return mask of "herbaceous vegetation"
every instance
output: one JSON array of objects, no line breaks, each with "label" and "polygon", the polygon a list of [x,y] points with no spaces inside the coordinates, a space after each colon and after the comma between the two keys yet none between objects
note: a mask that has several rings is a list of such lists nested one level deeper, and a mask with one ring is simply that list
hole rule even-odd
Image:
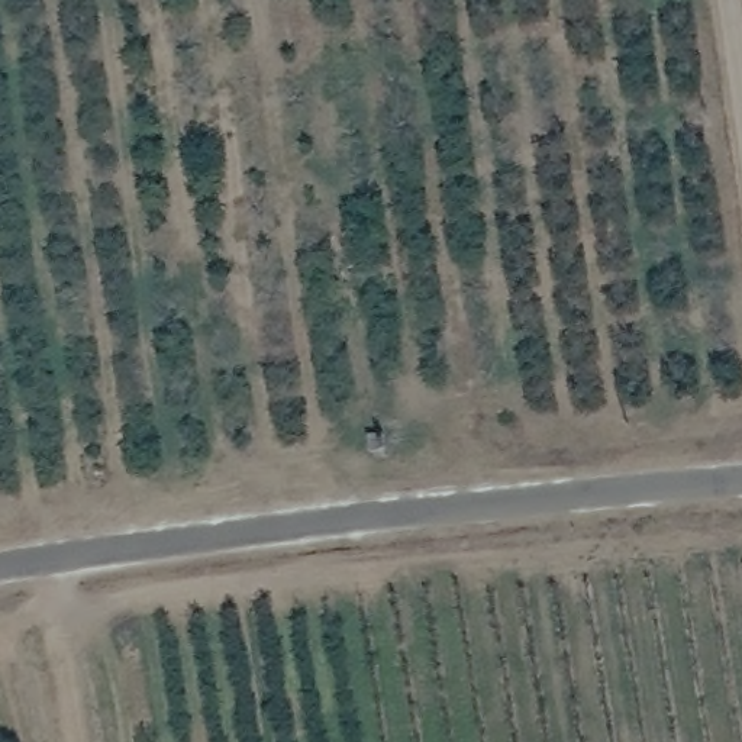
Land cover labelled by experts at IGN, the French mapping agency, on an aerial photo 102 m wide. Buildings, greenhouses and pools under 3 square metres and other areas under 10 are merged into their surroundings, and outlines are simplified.
[{"label": "herbaceous vegetation", "polygon": [[6,58],[20,58],[20,26],[14,17],[0,23],[0,32]]},{"label": "herbaceous vegetation", "polygon": [[467,542],[467,551],[548,548],[557,542],[626,539],[632,533],[664,530],[713,533],[730,528],[733,522],[742,522],[742,493],[365,528],[348,533],[316,533],[299,539],[125,559],[55,574],[0,580],[0,742],[174,742],[174,733],[168,728],[168,696],[154,609],[165,609],[177,632],[186,707],[191,719],[191,742],[209,742],[194,643],[188,635],[191,606],[206,609],[209,652],[214,667],[220,725],[226,742],[238,742],[232,716],[235,693],[229,684],[229,664],[220,641],[220,603],[235,600],[238,606],[238,623],[249,664],[249,690],[252,696],[264,699],[264,655],[255,635],[255,614],[249,612],[258,591],[270,594],[270,606],[275,614],[284,658],[284,693],[293,713],[296,742],[307,742],[299,670],[293,655],[290,609],[307,609],[307,646],[313,658],[322,713],[333,713],[333,672],[322,643],[322,609],[336,609],[336,603],[348,594],[351,603],[365,609],[377,600],[380,588],[385,585],[397,574],[391,559],[414,551],[458,551],[461,542]]},{"label": "herbaceous vegetation", "polygon": [[[104,142],[116,151],[113,168],[99,168],[87,157],[87,145],[78,136],[78,93],[72,84],[67,46],[61,35],[58,0],[43,0],[43,23],[49,26],[58,75],[58,113],[67,139],[67,191],[75,200],[72,238],[81,246],[87,278],[70,290],[55,281],[52,267],[43,255],[49,229],[41,209],[29,214],[32,264],[41,287],[41,301],[46,319],[55,328],[55,336],[96,336],[96,394],[104,409],[99,426],[101,452],[84,455],[72,414],[72,397],[61,397],[67,475],[52,487],[41,487],[35,475],[35,461],[26,455],[17,461],[20,490],[0,493],[0,522],[12,522],[14,516],[29,513],[26,501],[35,499],[41,499],[46,507],[55,507],[70,504],[72,496],[93,493],[99,501],[119,507],[133,519],[128,525],[130,533],[226,525],[261,516],[290,516],[374,501],[446,499],[461,493],[528,490],[597,478],[742,467],[742,394],[722,397],[722,385],[710,374],[710,362],[730,362],[733,357],[742,359],[742,188],[736,180],[730,104],[725,99],[725,64],[719,55],[719,38],[707,0],[690,0],[696,17],[696,46],[701,58],[701,81],[699,93],[690,99],[687,93],[672,93],[667,78],[667,41],[661,32],[658,9],[667,0],[635,0],[641,12],[649,14],[658,87],[652,93],[635,90],[626,99],[617,78],[612,0],[597,0],[597,17],[603,26],[603,58],[594,61],[574,55],[574,49],[568,46],[562,26],[562,0],[548,0],[548,17],[533,23],[513,23],[496,29],[493,35],[475,38],[467,14],[467,0],[455,0],[475,177],[481,186],[478,212],[484,214],[487,232],[484,267],[458,267],[449,255],[443,232],[441,165],[435,154],[438,133],[420,70],[423,52],[417,32],[420,20],[426,17],[423,0],[351,0],[354,23],[328,26],[313,17],[310,0],[130,0],[139,9],[142,35],[148,35],[151,41],[154,70],[128,75],[122,64],[125,29],[119,20],[119,0],[96,0],[99,38],[93,43],[93,58],[104,64],[107,75],[110,128],[104,130]],[[223,41],[223,17],[229,12],[246,12],[249,17],[249,41],[235,52]],[[614,133],[606,145],[591,145],[583,133],[580,84],[585,75],[597,78],[600,101],[612,110]],[[484,122],[478,84],[481,78],[501,78],[516,90],[516,110],[501,122]],[[148,101],[157,104],[162,122],[162,174],[168,180],[168,214],[157,232],[148,232],[133,180],[133,96],[148,96]],[[403,362],[397,380],[374,380],[365,348],[365,316],[357,296],[357,287],[365,278],[383,278],[397,293],[406,293],[409,287],[409,261],[397,238],[391,186],[380,157],[380,128],[400,130],[409,122],[417,125],[423,139],[426,220],[435,235],[438,278],[446,304],[443,333],[438,342],[438,351],[446,359],[446,385],[441,388],[432,388],[420,380],[420,348],[417,333],[412,328],[400,328]],[[186,188],[186,171],[180,159],[180,139],[188,125],[206,125],[220,130],[226,151],[220,191],[220,238],[206,246],[200,246],[194,200]],[[670,157],[672,209],[661,220],[641,217],[635,200],[635,168],[629,142],[641,139],[646,130],[664,133]],[[597,371],[603,383],[603,406],[594,412],[580,412],[571,403],[568,365],[559,339],[562,319],[554,304],[554,272],[548,261],[551,232],[545,226],[539,206],[536,148],[551,145],[559,136],[568,142],[571,154],[571,186],[580,220],[577,235],[585,255],[591,322],[597,333]],[[684,165],[678,157],[678,142],[690,136],[704,136],[710,151],[719,212],[725,226],[725,252],[696,252],[690,246],[681,194]],[[626,232],[632,255],[617,270],[600,270],[594,220],[588,209],[588,162],[603,157],[612,157],[620,165],[626,200]],[[493,186],[493,168],[504,159],[519,162],[525,171],[525,203],[533,226],[533,255],[539,275],[536,296],[542,301],[542,319],[554,365],[554,412],[533,412],[525,403],[519,362],[513,351],[516,342],[507,333],[510,287],[499,258]],[[162,467],[148,475],[133,475],[122,461],[122,403],[113,371],[116,336],[107,325],[101,267],[93,243],[96,226],[90,214],[90,191],[101,183],[113,183],[122,197],[122,226],[130,246],[130,284],[139,330],[136,374],[142,383],[142,397],[151,403],[151,423],[159,432],[162,458]],[[383,200],[388,261],[354,270],[342,243],[339,197],[368,183],[377,186]],[[345,313],[339,322],[339,333],[348,342],[348,359],[354,374],[351,400],[330,417],[325,417],[319,409],[316,371],[310,359],[310,333],[301,313],[301,278],[296,267],[296,255],[316,255],[328,243],[333,249],[333,272],[339,275],[336,290]],[[670,255],[681,255],[687,272],[687,310],[658,310],[649,304],[646,296],[646,267]],[[635,281],[638,307],[612,310],[603,296],[603,284],[629,278]],[[223,409],[214,394],[214,354],[206,348],[203,339],[206,328],[212,325],[209,301],[223,299],[226,293],[229,316],[241,328],[238,354],[243,359],[255,406],[255,420],[246,429],[246,446],[235,446],[223,432]],[[191,365],[162,368],[157,362],[154,328],[165,316],[183,316],[191,325]],[[620,403],[617,397],[614,351],[609,336],[612,325],[635,325],[646,333],[643,345],[649,365],[649,397],[641,406]],[[664,351],[696,354],[699,388],[693,394],[678,397],[664,383]],[[296,362],[299,380],[293,385],[267,388],[264,368],[293,368]],[[270,417],[270,403],[296,397],[304,397],[307,432],[299,443],[281,443]]]}]

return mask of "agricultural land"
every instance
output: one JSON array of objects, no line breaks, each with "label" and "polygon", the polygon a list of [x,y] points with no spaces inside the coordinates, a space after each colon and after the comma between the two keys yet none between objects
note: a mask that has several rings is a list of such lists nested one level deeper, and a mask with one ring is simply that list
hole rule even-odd
[{"label": "agricultural land", "polygon": [[493,675],[490,713],[484,713],[481,725],[475,725],[478,742],[742,742],[742,522],[733,522],[730,528],[713,533],[664,530],[632,533],[626,539],[557,542],[548,548],[467,551],[467,542],[461,542],[458,551],[414,551],[391,559],[397,574],[385,585],[388,591],[397,591],[394,583],[400,577],[426,577],[432,603],[455,603],[464,664],[472,661],[472,652],[496,655],[499,672]]},{"label": "agricultural land", "polygon": [[128,525],[133,519],[119,507],[99,501],[93,493],[72,496],[70,504],[55,507],[46,507],[41,499],[35,499],[26,501],[29,513],[14,516],[12,522],[0,522],[0,554],[130,533]]}]

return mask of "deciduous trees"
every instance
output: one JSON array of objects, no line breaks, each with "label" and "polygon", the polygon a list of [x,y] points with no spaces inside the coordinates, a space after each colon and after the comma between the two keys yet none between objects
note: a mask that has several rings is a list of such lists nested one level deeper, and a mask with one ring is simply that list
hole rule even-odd
[{"label": "deciduous trees", "polygon": [[687,310],[687,272],[681,255],[670,255],[646,267],[646,296],[649,304],[658,310]]},{"label": "deciduous trees", "polygon": [[383,200],[377,186],[368,183],[339,197],[342,243],[354,270],[388,261]]},{"label": "deciduous trees", "polygon": [[243,359],[238,354],[241,328],[229,316],[226,293],[223,299],[209,301],[212,325],[206,328],[203,339],[206,348],[214,354],[214,394],[223,409],[223,432],[235,446],[246,446],[246,429],[255,420],[255,406]]},{"label": "deciduous trees", "polygon": [[180,159],[186,171],[186,188],[194,200],[200,246],[206,246],[220,238],[220,191],[226,151],[220,130],[206,125],[188,125],[180,139]]},{"label": "deciduous trees", "polygon": [[162,122],[157,104],[148,101],[148,96],[133,96],[133,180],[148,232],[157,232],[168,214],[168,180],[162,174]]},{"label": "deciduous trees", "polygon": [[194,643],[209,742],[226,742],[220,725],[214,667],[209,652],[206,609],[191,606],[188,635]]},{"label": "deciduous trees", "polygon": [[380,157],[391,186],[397,238],[409,261],[409,287],[406,293],[397,293],[383,278],[365,278],[357,287],[357,296],[365,316],[365,348],[374,380],[397,380],[403,362],[400,328],[412,328],[417,333],[420,348],[420,380],[432,388],[441,388],[446,385],[446,359],[438,351],[438,342],[443,333],[446,304],[438,278],[435,235],[426,220],[423,139],[417,125],[409,122],[400,130],[380,128]]},{"label": "deciduous trees", "polygon": [[130,0],[119,0],[119,20],[125,29],[122,64],[128,75],[154,70],[151,41],[148,35],[142,35],[139,9]]},{"label": "deciduous trees", "polygon": [[641,139],[629,142],[635,168],[635,200],[641,217],[661,220],[672,209],[670,157],[664,133],[646,130]]},{"label": "deciduous trees", "polygon": [[548,261],[554,272],[554,304],[562,319],[559,339],[568,365],[571,403],[580,412],[594,412],[603,406],[603,383],[597,371],[597,333],[591,322],[585,255],[577,235],[580,220],[571,186],[571,154],[568,142],[559,136],[551,145],[536,148],[539,206],[545,226],[551,232]]},{"label": "deciduous trees", "polygon": [[548,17],[548,0],[467,0],[467,14],[475,38],[493,35],[496,29],[513,23],[533,23]]},{"label": "deciduous trees", "polygon": [[612,0],[617,78],[626,99],[635,90],[652,93],[658,87],[649,14],[641,12],[635,0]]},{"label": "deciduous trees", "polygon": [[116,151],[104,142],[104,130],[110,128],[107,75],[104,64],[93,58],[93,43],[99,38],[96,0],[58,0],[61,35],[67,46],[72,84],[78,93],[78,136],[87,145],[87,157],[99,168],[113,168]]},{"label": "deciduous trees", "polygon": [[165,316],[154,328],[157,362],[162,368],[191,365],[191,325],[183,316]]},{"label": "deciduous trees", "polygon": [[307,742],[478,742],[475,725],[481,725],[484,713],[490,713],[493,675],[499,672],[496,655],[472,652],[472,661],[464,664],[455,603],[432,603],[426,577],[400,577],[394,583],[397,591],[388,591],[385,585],[380,588],[377,600],[365,609],[351,603],[348,594],[336,603],[336,609],[322,609],[322,643],[333,672],[333,713],[322,713],[313,658],[307,646],[307,609],[290,609],[293,655],[299,670]]},{"label": "deciduous trees", "polygon": [[667,41],[667,78],[672,93],[687,93],[690,99],[699,93],[701,81],[701,58],[696,46],[696,17],[690,0],[667,0],[658,9],[661,32]]},{"label": "deciduous trees", "polygon": [[487,232],[484,214],[478,212],[481,186],[475,177],[455,0],[423,0],[426,17],[420,20],[417,32],[423,52],[420,70],[438,133],[435,154],[441,165],[443,232],[449,255],[458,267],[484,267]]},{"label": "deciduous trees", "polygon": [[562,26],[568,46],[574,49],[574,55],[594,61],[603,58],[603,26],[597,17],[597,0],[562,0]]},{"label": "deciduous trees", "polygon": [[614,351],[617,397],[620,403],[641,406],[649,397],[649,365],[643,345],[646,333],[635,325],[612,325],[609,336]]},{"label": "deciduous trees", "polygon": [[313,17],[328,26],[354,23],[351,0],[310,0]]},{"label": "deciduous trees", "polygon": [[229,664],[229,684],[235,693],[232,716],[238,742],[296,742],[293,713],[284,693],[284,658],[275,614],[270,606],[270,594],[258,591],[249,612],[255,614],[255,635],[264,655],[264,699],[252,696],[249,690],[249,664],[238,623],[238,606],[235,600],[220,603],[220,641]]},{"label": "deciduous trees", "polygon": [[725,226],[719,212],[710,151],[704,136],[690,136],[678,142],[678,157],[684,165],[681,194],[690,246],[696,252],[725,252]]},{"label": "deciduous trees", "polygon": [[580,84],[583,133],[591,145],[606,145],[614,133],[612,110],[600,101],[597,78],[585,75]]},{"label": "deciduous trees", "polygon": [[693,394],[699,388],[696,354],[664,351],[664,383],[678,397]]},{"label": "deciduous trees", "polygon": [[635,281],[629,278],[603,284],[603,296],[612,310],[638,307]]},{"label": "deciduous trees", "polygon": [[478,84],[484,122],[501,122],[516,110],[516,90],[501,78],[481,78]]},{"label": "deciduous trees", "polygon": [[20,26],[20,58],[6,58],[0,32],[0,493],[20,490],[17,461],[26,455],[35,461],[35,475],[41,487],[52,487],[67,475],[61,397],[72,397],[72,414],[84,455],[101,452],[99,426],[104,409],[96,394],[96,336],[55,336],[55,328],[46,319],[41,301],[41,287],[32,264],[29,214],[41,209],[49,229],[43,255],[52,267],[55,281],[70,290],[87,278],[81,246],[72,238],[75,200],[67,191],[67,139],[58,113],[58,75],[49,26],[43,23],[43,0],[0,0],[0,23],[14,17]]},{"label": "deciduous trees", "polygon": [[730,362],[710,362],[710,374],[722,385],[722,397],[742,394],[742,359],[733,357]]},{"label": "deciduous trees", "polygon": [[165,609],[154,609],[168,696],[168,728],[174,733],[174,742],[191,742],[191,719],[186,707],[177,632]]},{"label": "deciduous trees", "polygon": [[293,368],[264,368],[267,388],[293,385],[299,380],[296,362]]},{"label": "deciduous trees", "polygon": [[223,17],[223,41],[235,52],[249,41],[249,17],[246,12],[229,12]]},{"label": "deciduous trees", "polygon": [[617,270],[632,255],[626,232],[626,200],[620,165],[612,157],[603,157],[588,162],[588,209],[594,220],[600,270]]},{"label": "deciduous trees", "polygon": [[281,443],[299,443],[307,432],[304,397],[296,397],[270,403],[270,417]]},{"label": "deciduous trees", "polygon": [[333,272],[333,249],[328,243],[316,255],[296,255],[296,267],[301,278],[301,313],[310,333],[310,359],[316,371],[319,409],[325,417],[330,417],[351,400],[354,374],[348,359],[348,342],[339,333],[339,322],[345,313],[336,290],[339,275]]},{"label": "deciduous trees", "polygon": [[542,319],[542,301],[536,296],[539,275],[533,255],[533,226],[525,203],[525,171],[519,162],[504,159],[493,168],[493,186],[499,258],[510,287],[507,333],[516,342],[513,351],[519,362],[525,403],[533,412],[554,412],[554,365]]},{"label": "deciduous trees", "polygon": [[122,403],[122,461],[133,475],[148,475],[162,467],[162,458],[159,432],[151,423],[151,403],[142,397],[142,383],[136,374],[139,330],[130,284],[130,246],[122,226],[122,197],[113,183],[101,183],[90,191],[90,214],[96,226],[93,243],[101,267],[107,325],[116,336],[113,371]]}]

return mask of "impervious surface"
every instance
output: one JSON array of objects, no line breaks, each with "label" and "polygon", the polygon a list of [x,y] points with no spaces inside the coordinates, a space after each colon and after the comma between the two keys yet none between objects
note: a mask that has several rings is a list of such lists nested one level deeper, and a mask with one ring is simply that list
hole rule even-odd
[{"label": "impervious surface", "polygon": [[446,499],[374,501],[290,516],[261,516],[226,525],[130,533],[0,554],[0,580],[55,574],[125,559],[299,539],[316,533],[348,533],[365,528],[742,493],[742,467],[597,478],[528,490],[461,493]]}]

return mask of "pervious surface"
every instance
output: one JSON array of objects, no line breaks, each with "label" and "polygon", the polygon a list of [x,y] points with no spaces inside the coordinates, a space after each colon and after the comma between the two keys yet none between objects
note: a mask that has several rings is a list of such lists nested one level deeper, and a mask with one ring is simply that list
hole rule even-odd
[{"label": "pervious surface", "polygon": [[719,38],[719,55],[725,64],[725,99],[730,104],[736,180],[742,188],[742,0],[707,0]]}]

